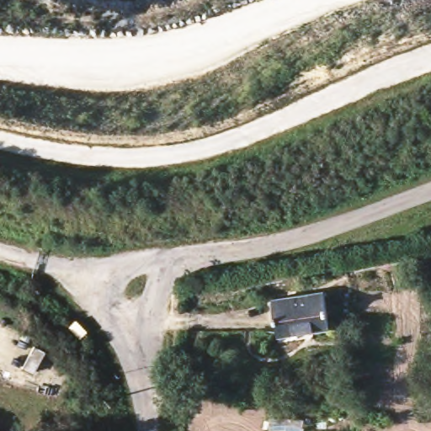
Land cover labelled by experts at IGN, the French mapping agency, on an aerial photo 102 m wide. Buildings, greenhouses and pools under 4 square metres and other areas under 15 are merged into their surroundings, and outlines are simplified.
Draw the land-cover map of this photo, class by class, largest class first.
<instances>
[{"label":"pervious surface","instance_id":"1","mask_svg":"<svg viewBox=\"0 0 431 431\"><path fill-rule=\"evenodd\" d=\"M367 17L382 22V35L375 45H370L369 35H362L357 40V49L343 54L342 69L317 66L311 71L301 72V76L291 82L290 91L279 94L276 98L266 99L254 108L244 109L224 121H217L215 125H197L192 106L200 98L210 96V93L219 86L222 94L212 101V108L219 106L222 101H237L239 93L236 89L241 88L244 81L251 82L254 62L263 57L266 61H278L279 57L285 56L308 59L318 52L325 51L328 44L338 42V30L342 25L355 24L357 20ZM431 72V0H0V79L52 88L98 91L106 96V106H111L121 91H141L152 101L143 113L136 116V121L145 120L148 123L140 135H94L82 131L54 130L51 126L30 125L17 118L5 120L0 116V148L17 146L20 150H32L40 158L76 165L146 168L180 163L231 152L308 121L311 120L320 114L342 108L345 104L354 103L377 89L389 88L397 82ZM431 200V182L379 200L375 204L365 205L362 209L333 215L323 221L311 222L308 226L296 227L268 236L227 239L226 241L205 242L172 249H145L133 253L113 254L108 258L76 259L56 256L47 258L37 253H27L22 247L8 246L0 242V261L10 266L39 269L51 274L52 278L71 295L72 301L81 310L86 311L89 317H93L104 332L111 335V349L118 357L125 374L136 416L140 419H153L158 416L162 396L158 394L157 387L150 379L152 367L160 350L175 347L178 343V330H185L194 325L209 328H263L274 327L273 315L266 310L249 308L217 315L190 313H178L177 296L173 293L175 279L184 276L185 273L207 268L212 264L264 258L269 254L285 253L291 249L310 246L328 237L352 231L355 227L365 226ZM141 274L146 276L145 290L140 296L128 300L125 295L126 286L131 279L138 278ZM396 266L394 263L365 266L350 273H343L345 276L330 281L323 279L320 288H328L325 291V317L330 330H332L343 320L355 322V328H359L362 333L359 342L347 350V355L352 360V369L347 374L352 377L355 397L370 411L389 416L394 424L406 423L411 419L412 404L409 401L404 374L414 367V359L421 340L419 296L418 291L397 290L392 271ZM394 322V333L397 337L411 335V342L401 345L399 349L394 345L382 343L386 323ZM29 338L24 335H20L12 328L3 327L0 323V377L15 386L32 389L40 396H47V392L64 396L66 391H71L77 380L59 375L54 369L37 370L44 359V352L25 349ZM286 354L291 357H295L301 349L313 345L311 333L290 335L285 337L283 342Z\"/></svg>","mask_w":431,"mask_h":431},{"label":"brushwood","instance_id":"2","mask_svg":"<svg viewBox=\"0 0 431 431\"><path fill-rule=\"evenodd\" d=\"M313 126L310 138L296 140L295 145H283L273 162H263L259 158L251 157L244 160L239 167H234L231 163H219V173L212 177V173L205 170L202 182H197L195 173L185 170L180 163L146 168L76 165L40 158L32 150H20L17 146L0 148V195L10 199L12 190L17 187L22 212L25 214L42 209L45 200L52 195L61 199L62 207H66L71 214H81L91 207L96 214H103L106 210L114 215V210L120 205L126 207L128 214H135L136 204L140 200L155 214H162L167 207L182 210L185 200H192L197 192H204L205 195H209L214 207H221V202L227 204L217 226V232L226 241L227 239L237 224L249 229L256 221L264 224L268 221L271 210L278 212L279 222L283 224H286V214H291L296 227L308 226L311 222L323 221L333 215L362 209L365 205L375 204L379 200L431 182V88L423 84L416 91L397 94L377 106H367L359 123H355V120H333L330 128L320 130L311 120L308 121ZM401 258H414L418 261V258H431V236H426L423 229H419L409 232L407 236L347 242L337 247L310 246L291 249L285 253L269 254L264 258L212 264L207 268L185 273L184 276L175 279L173 293L177 296L178 313H190L199 303L197 296L204 293H224L246 288V291L259 295L261 288L268 286L273 279L293 276L298 278L301 285H313V279H323L330 281L345 276L343 273H350L365 266L394 263ZM57 247H61L62 244H82L93 253L94 247L103 249L109 244L108 239L101 237L66 236L51 232ZM0 298L10 308H24L29 313L30 327L24 335L29 338L25 349L44 352V359L37 370L54 369L59 375L77 380L71 391H66L64 396L66 399L79 402V411H67V414L57 411L42 412L40 426L35 431H178L175 424L158 416L153 419H140L136 416L125 374L118 357L111 349V335L104 332L93 317H89L86 311L81 310L72 301L71 295L52 278L51 274L39 269L10 266L0 261ZM394 322L386 323L382 343L394 345L399 349L401 345L411 342V335L397 337L394 333ZM178 343L184 347L187 359L190 360V370L195 374H204V386L207 387L205 392L209 396V401L234 407L237 402L253 392L254 379L263 370L279 379H290L291 389L295 391L293 401L303 402L308 406H322L325 397L306 392L298 377L300 369L291 357L286 354L283 342H278L273 338V333L266 332L263 328H209L194 325L185 330H178Z\"/></svg>","mask_w":431,"mask_h":431},{"label":"herbaceous vegetation","instance_id":"3","mask_svg":"<svg viewBox=\"0 0 431 431\"><path fill-rule=\"evenodd\" d=\"M382 22L367 17L357 20L355 24L342 25L338 30V42L328 44L325 51L318 52L308 59L285 56L279 57L278 61H266L263 57L254 62L251 82L244 81L241 88L236 89L239 93L237 101H222L219 106L212 108V101L222 94L219 86L210 93V96L200 98L192 106L197 125H215L217 121H224L244 109L254 108L266 99L276 98L279 94L290 91L291 82L301 76V72L311 71L317 66L342 69L343 54L357 49V40L362 35H369L370 45H375L382 35ZM423 84L431 88V72L397 82L389 88L377 89L354 103L345 104L342 108L320 114L311 120L320 130L330 128L333 120H355V123H359L367 106H377L397 94L416 91ZM152 101L141 91H121L111 106H106V96L98 91L52 88L0 79V116L5 120L17 118L30 125L51 126L54 130L82 131L94 135H140L148 123L145 120L136 121V116L143 113ZM313 126L308 121L231 152L180 163L185 170L195 173L197 182H202L205 170L212 173V177L219 173V163H231L234 167H239L244 160L251 157L259 158L263 162H273L283 145H295L296 140L310 138ZM227 204L221 202V207H214L209 195H205L204 192H197L192 200H185L182 210L167 207L162 214H155L140 200L136 204L135 214H128L126 207L120 205L114 210V215L106 210L103 214H96L91 207L81 214H71L66 207H62L61 199L52 195L45 200L42 209L25 214L22 212L17 187L12 190L10 199L0 195V242L8 246L22 247L27 253H37L47 258L56 256L76 259L108 258L113 254L133 253L145 249H172L205 242L226 241L217 232V226ZM51 232L66 236L101 237L108 239L109 244L103 249L94 247L93 253L82 244H62L61 247H57ZM419 229H423L426 236H431V200L365 226L355 227L352 231L328 237L310 246L337 247L347 242L407 236L409 232ZM296 227L291 214H286V224H283L279 222L278 212L271 210L268 221L264 224L256 221L249 229L237 224L227 239L268 236ZM146 276L141 274L138 278L131 279L126 286L125 295L128 300L140 296L145 290ZM301 291V285L298 278L293 276L273 279L268 286L261 288L259 295L246 291V288L224 293H204L197 296L199 303L190 313L217 315L249 308L266 310L269 300L298 293ZM0 323L3 327L12 328L20 335H24L30 327L29 313L24 308H10L0 298ZM313 345H337L332 330H330L311 333ZM57 411L67 414V411H79V402L66 399L64 396L47 392V396H40L32 389L15 386L0 377V431H35L40 426L42 412Z\"/></svg>","mask_w":431,"mask_h":431},{"label":"deciduous trees","instance_id":"4","mask_svg":"<svg viewBox=\"0 0 431 431\"><path fill-rule=\"evenodd\" d=\"M396 266L392 271L397 290L418 291L419 296L421 340L414 359V367L404 374L409 401L412 404L411 419L419 423H431V258H418V261L414 258H401L394 263ZM337 345H313L301 349L295 357H291L300 369L298 377L306 392L325 397L322 406H308L303 402L293 401L295 391L291 389L290 379H279L263 370L254 379L253 392L237 402L234 407L239 412L264 409L269 419L279 423L288 419L303 421V431H387L391 424H394L389 416L370 411L355 397L352 377L347 374L352 369V360L347 355V350L359 342L362 333L359 328H355V322L343 320L332 330ZM150 379L157 387L158 394L162 396L158 416L175 424L178 431H190V423L202 409V402L209 401V396L205 392L207 387L204 386V374H195L190 370V360L187 359L184 347L178 343L175 347L160 350L152 367Z\"/></svg>","mask_w":431,"mask_h":431},{"label":"building","instance_id":"5","mask_svg":"<svg viewBox=\"0 0 431 431\"><path fill-rule=\"evenodd\" d=\"M323 279H313V285H301V291L298 293L269 300L266 310L273 315L274 327L263 328L266 332L273 333V338L278 342H283L285 337L290 335L311 333L330 330L325 317V291L328 288H320ZM266 431H303V421L288 419L279 423L269 419L263 423Z\"/></svg>","mask_w":431,"mask_h":431},{"label":"agricultural land","instance_id":"6","mask_svg":"<svg viewBox=\"0 0 431 431\"><path fill-rule=\"evenodd\" d=\"M269 419L264 409L239 412L234 407L209 401L202 402V409L190 423V431H266L263 423ZM387 431H431V423H419L411 419L406 423L394 424H391Z\"/></svg>","mask_w":431,"mask_h":431}]
</instances>
